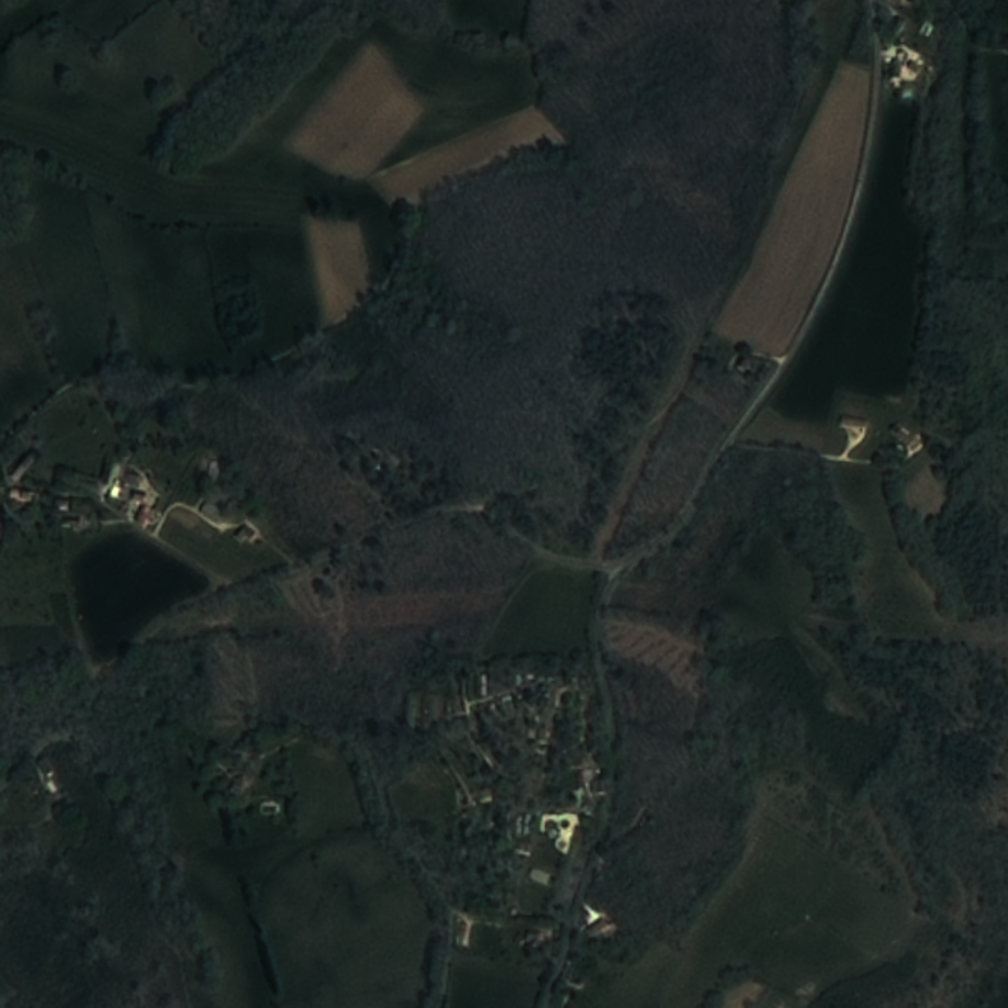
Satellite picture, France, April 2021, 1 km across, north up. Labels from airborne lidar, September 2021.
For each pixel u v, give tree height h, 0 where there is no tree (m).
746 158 9
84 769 16
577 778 0
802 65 24
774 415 0
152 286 0
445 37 14
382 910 0
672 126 17
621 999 0
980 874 18
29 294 0
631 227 18
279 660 10
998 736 11
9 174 26
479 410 20
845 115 0
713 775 20
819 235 0
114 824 9
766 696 8
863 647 20
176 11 15
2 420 0
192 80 0
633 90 16
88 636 0
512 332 23
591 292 18
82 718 17
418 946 0
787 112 10
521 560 10
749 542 17
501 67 0
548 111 15
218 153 21
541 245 21
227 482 18
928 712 15
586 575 0
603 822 16
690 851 11
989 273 6
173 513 0
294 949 0
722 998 15
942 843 20
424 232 19
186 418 21
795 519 21
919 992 9
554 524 17
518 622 0
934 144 15
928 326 19
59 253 0
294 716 13
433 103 0
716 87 14
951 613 19
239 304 9
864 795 20
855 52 13
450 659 12
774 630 0
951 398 11
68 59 0
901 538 17
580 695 10
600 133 17
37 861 13
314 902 0
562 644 0
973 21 30
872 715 6
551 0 17
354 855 0
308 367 9
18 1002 10
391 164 0
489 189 19
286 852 0
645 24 14
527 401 20
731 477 19
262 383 20
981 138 35
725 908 0
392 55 0
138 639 0
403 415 19
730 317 0
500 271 17
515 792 14
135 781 21
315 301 0
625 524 16
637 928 16
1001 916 24
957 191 6
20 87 0
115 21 0
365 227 0
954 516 11
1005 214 37
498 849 18
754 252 0
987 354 17
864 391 0
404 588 12
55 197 0
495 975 0
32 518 11
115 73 0
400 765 23
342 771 0
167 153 25
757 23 12
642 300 13
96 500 7
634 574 9
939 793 19
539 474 13
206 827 0
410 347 21
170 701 23
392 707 17
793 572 0
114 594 0
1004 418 13
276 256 0
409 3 20
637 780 13
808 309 0
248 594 16
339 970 0
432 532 14
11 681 14
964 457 20
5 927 6
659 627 19
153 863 20
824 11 0
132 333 0
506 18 0
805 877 0
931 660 8
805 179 0
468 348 18
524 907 0
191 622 14
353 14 18
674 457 14
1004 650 0
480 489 14
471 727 15
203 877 0
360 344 9
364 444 16
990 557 11
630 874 15
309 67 21
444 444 21
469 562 12
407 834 20
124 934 7
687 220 9
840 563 15
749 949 0
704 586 19
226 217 6
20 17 0
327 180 0
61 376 11
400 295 20
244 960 0
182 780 0
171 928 21
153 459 0
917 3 22
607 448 13
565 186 21
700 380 11
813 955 0
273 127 0
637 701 8
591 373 20
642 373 9
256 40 17
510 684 11
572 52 20
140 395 23
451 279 18
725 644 25
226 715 21
